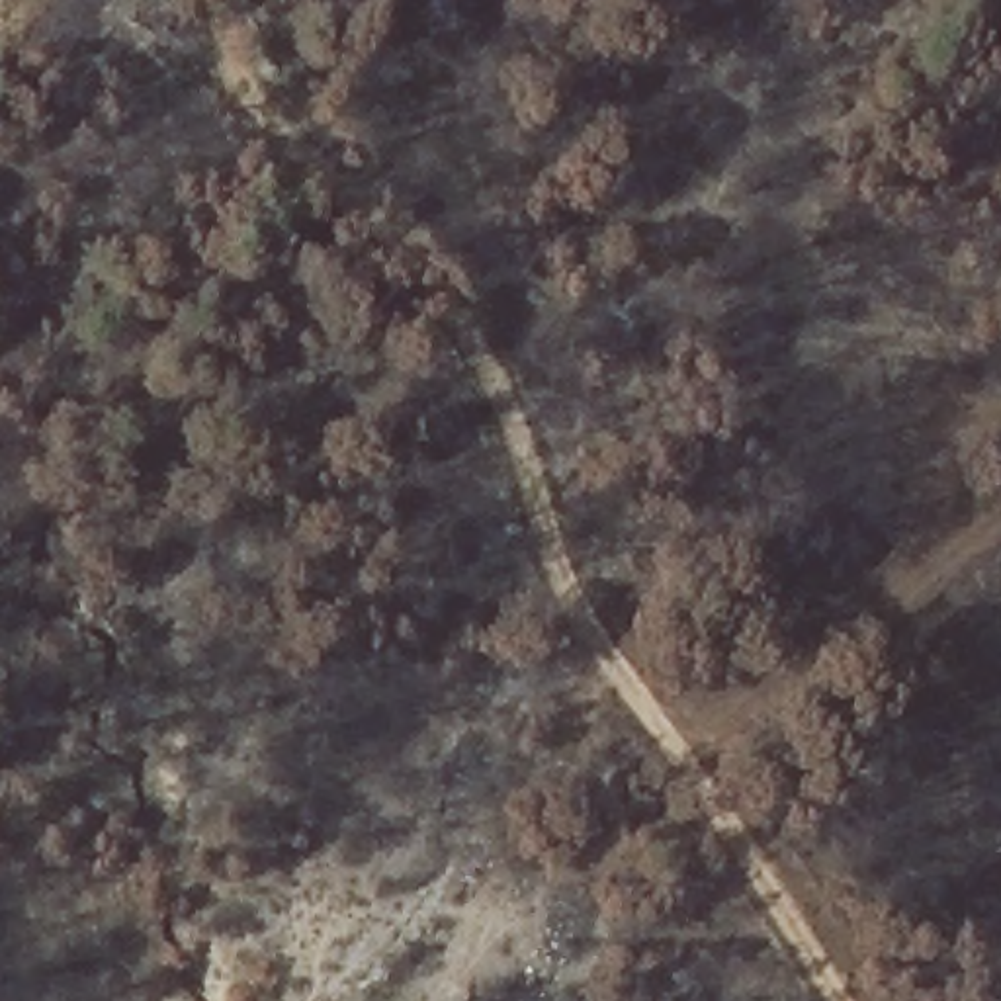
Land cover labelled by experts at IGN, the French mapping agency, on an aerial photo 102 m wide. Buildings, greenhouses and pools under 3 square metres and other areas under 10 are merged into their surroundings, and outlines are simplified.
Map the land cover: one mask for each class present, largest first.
<instances>
[{"label":"coniferous trees","instance_id":"1","mask_svg":"<svg viewBox=\"0 0 1001 1001\"><path fill-rule=\"evenodd\" d=\"M231 23L258 39L262 55L274 63V82H266L262 90L266 98L250 106H242L219 74L215 35ZM438 86H457V98H473L477 106L493 98V121L504 137V149L540 160L544 172L528 192L532 219L520 227L497 223L508 239V250L485 270L481 289H473L461 293L446 274L438 282H422L426 250L407 239L375 250V227L387 219V211L379 207L348 211L336 223V231L321 223L317 215L328 203L325 184L305 176V184L282 188L274 180V164L266 160V141L274 133L301 137L317 125H325V133L336 141H356V117L371 102L383 121L418 125L426 121V102ZM641 203L653 207L657 223L704 211L735 227H747L755 215L794 223L798 250L821 274L825 297L868 301L864 321L805 325L794 344L798 364L833 371L845 383V391H860L864 383L903 375L911 356L954 360L958 371L985 375V387L974 399L970 418L954 430L958 461L974 485V520L946 544H938L923 563L895 567L888 559L884 567L888 594L899 598L907 610L923 606L935 594H946L958 606L981 602V594L1001 575V0H106L102 39H55L47 43L39 63H20V55L0 51V414H8V407L16 403L27 414V422H47V457L27 461L23 481L31 489V501L59 508V532L47 540L43 563V583L55 594H66L78 606L117 602L133 587H145L141 610L156 614L160 622H172L168 645L176 665L192 661V653L207 641L235 649L242 665L262 680V688H270L282 700V708L293 712L321 708L328 692L356 696L375 688H403L414 696H438L430 704L434 719L418 731V739L399 759H387L375 778L356 786L360 798L340 817L336 841L328 845L332 852H340L344 864H364L375 852L407 845L414 833L426 837V856H418L411 872L379 880L383 899L430 888L450 860H477V880L501 872L555 880V892L547 899V927L559 935L563 946L547 958H583L590 950H602L606 966L622 970L630 938H676L680 923L712 919V911L723 899L751 884V852H762V860L774 864L786 849H837L849 821L868 805V794L892 786L880 766L860 759L856 739L884 716H903L911 692L907 684L888 688L884 633L872 618H860L833 633L817 649L809 669H790L770 637L778 590L770 579L759 575V555H751L755 536H762V524L727 528L719 524L723 508L692 512L680 501L688 481L673 469L665 450L680 434L704 430L712 438H731L735 430V371H723L716 364L712 340L719 336V317L739 301V289H723L704 262L676 266L661 278L641 282L645 266L633 254L630 219L641 211ZM512 411L524 414L532 446L540 454V477H532L528 489H520V469L504 434V418ZM614 653L633 665V673L649 684L653 700L684 735L688 751L680 759H673L657 743V735L630 712L622 692L602 676L598 661Z\"/></svg>","mask_w":1001,"mask_h":1001},{"label":"bare soil","instance_id":"2","mask_svg":"<svg viewBox=\"0 0 1001 1001\"><path fill-rule=\"evenodd\" d=\"M106 0H0V51L20 55V63H39L47 43L55 39H102ZM266 160L274 164V180L282 188L305 184V176L325 184L328 203L317 215L321 223L336 231V223L348 211L379 207L387 211V219L375 227V250L407 239L411 231L426 227L442 242V250L465 266L473 289H481L485 270L508 250V239L497 223L520 227L532 219L528 192L544 172L540 160L504 149V137L493 121V98L477 106L473 98H457V86H438L426 102V121L418 125L383 121L371 102L356 117V141H336L325 133V125H317L301 137L274 133L266 141ZM633 254L645 266L641 282L661 278L676 266L704 262L723 289H739V301L719 317V336L712 340L716 364L723 371H735V430L731 438H712L704 430L680 434L665 450L673 469L688 481L680 501L692 512L723 508L719 524L727 528L762 524V536H755L751 555H759V575L770 579L778 590L770 637L790 669H809L817 649L833 633L860 618H872L884 633L888 688L907 684L911 692L903 716H884L856 739L860 759L880 766L892 786L868 794V805L849 821L837 849H786L774 864L809 931L825 946L833 970L845 978L849 1001H1001V575L981 594V602L958 606L946 594H935L923 606L907 610L899 598L888 594L884 567L888 559L895 567L923 563L938 544H946L974 520V485L958 461L954 430L970 418L974 399L985 387V375L958 371L954 360L911 356L903 375L864 383L860 391H845V383L833 371L798 364L794 344L805 325L864 321L868 301L825 297L821 274L798 250L794 223L755 215L747 227H735L704 211L657 223L653 207L641 203V211L630 219ZM47 422H27V414L16 403L8 407V414H0V1001H825L798 946L782 935L774 911L751 884L723 899L712 911V919L680 923L676 938H630L622 970L606 966L602 950H590L583 958H547L563 946L559 935L547 927V899L555 892V880L501 872L477 880V860H450L430 888L383 899L379 880L411 872L418 856H426V837L414 833L407 845L375 852L364 864H344L340 852H332L328 845L336 841L340 817L360 798L356 786L375 778L387 759H399L418 739V731L434 719L430 704L438 696H414L403 688H375L356 696L328 692L321 708L293 712L282 708V700L270 688H262V680L242 665L235 649L207 641L192 653V661L176 665L168 645L172 622H160L156 614L141 610L145 587H133L117 602L78 606L66 594H55L43 583V563L47 540L59 532V508L31 501V489L23 481L27 461L47 457Z\"/></svg>","mask_w":1001,"mask_h":1001},{"label":"pervious surface","instance_id":"3","mask_svg":"<svg viewBox=\"0 0 1001 1001\"><path fill-rule=\"evenodd\" d=\"M219 74L242 106H250L266 98L262 90L266 82H274V63L262 55L258 39L231 23L215 35ZM407 239L426 250L422 282H438L446 274L461 293L473 289L465 266L442 250V242L426 227L411 231ZM504 434L520 469V489H528L532 477H540V454L532 446L524 414L512 411L504 418ZM602 676L622 692L630 712L657 735V743L673 759H680L688 751L684 735L653 700L649 684L633 673V665L614 653L598 661ZM751 884L774 911L782 935L798 946L825 1001H849L845 978L833 970L825 946L809 931L774 864L762 860V852H751Z\"/></svg>","mask_w":1001,"mask_h":1001}]
</instances>
